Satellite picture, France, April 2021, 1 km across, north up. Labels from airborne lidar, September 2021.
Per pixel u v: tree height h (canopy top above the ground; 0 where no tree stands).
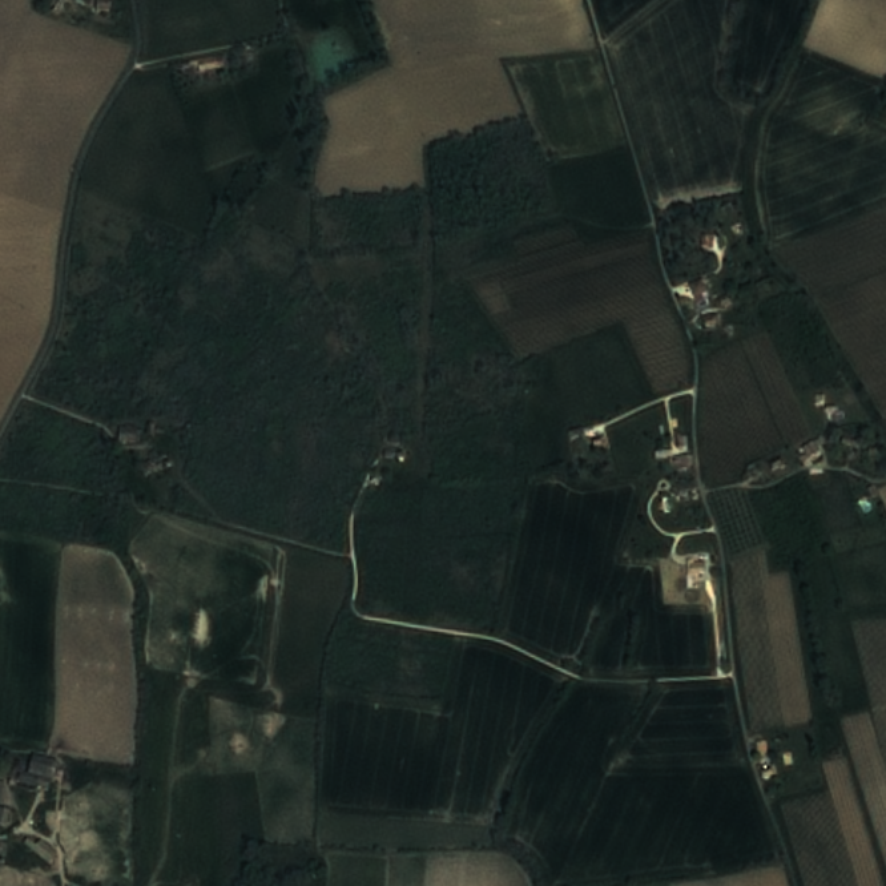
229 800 0
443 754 0
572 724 0
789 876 0
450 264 0
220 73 8
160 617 0
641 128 0
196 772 0
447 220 9
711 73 0
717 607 0
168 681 0
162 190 0
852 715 0
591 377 0
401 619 0
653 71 0
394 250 7
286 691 0
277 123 0
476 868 0
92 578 0
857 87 0
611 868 0
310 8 0
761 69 0
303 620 0
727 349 0
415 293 7
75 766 0
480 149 11
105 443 12
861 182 0
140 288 8
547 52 0
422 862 0
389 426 8
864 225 0
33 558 0
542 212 10
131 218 0
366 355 18
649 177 0
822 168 0
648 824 0
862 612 0
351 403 8
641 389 0
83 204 0
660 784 0
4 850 0
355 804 0
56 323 0
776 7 0
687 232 15
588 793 0
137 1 0
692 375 0
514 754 0
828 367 0
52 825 0
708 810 0
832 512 0
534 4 0
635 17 0
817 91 0
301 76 20
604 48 0
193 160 0
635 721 9
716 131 0
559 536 0
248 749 0
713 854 0
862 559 0
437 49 0
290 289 11
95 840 0
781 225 0
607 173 0
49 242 0
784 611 0
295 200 0
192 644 0
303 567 0
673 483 10
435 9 0
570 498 0
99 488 7
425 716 0
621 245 0
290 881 19
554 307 0
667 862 0
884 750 0
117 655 0
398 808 0
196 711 0
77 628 0
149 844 0
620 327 0
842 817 0
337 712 0
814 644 12
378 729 0
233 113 0
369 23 15
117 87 0
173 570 0
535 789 0
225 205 16
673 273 7
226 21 0
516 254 0
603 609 0
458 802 0
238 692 0
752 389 0
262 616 0
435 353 6
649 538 0
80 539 10
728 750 0
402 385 8
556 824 0
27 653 0
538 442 0
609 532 0
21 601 0
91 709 0
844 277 0
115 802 0
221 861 0
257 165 0
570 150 0
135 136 0
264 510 6
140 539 0
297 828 0
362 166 0
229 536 0
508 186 14
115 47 0
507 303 0
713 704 0
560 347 0
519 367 9
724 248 0
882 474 17
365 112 0
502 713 0
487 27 0
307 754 0
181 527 0
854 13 0
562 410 0
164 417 12
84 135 0
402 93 0
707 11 0
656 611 0
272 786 0
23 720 0
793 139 0
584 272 0
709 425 0
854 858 0
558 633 0
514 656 0
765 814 0
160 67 0
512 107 0
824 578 0
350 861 0
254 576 0
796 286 17
